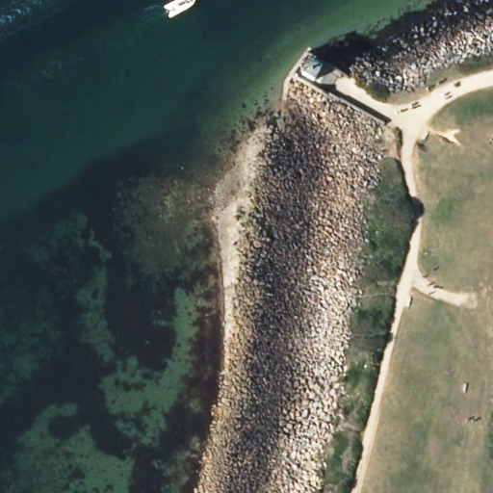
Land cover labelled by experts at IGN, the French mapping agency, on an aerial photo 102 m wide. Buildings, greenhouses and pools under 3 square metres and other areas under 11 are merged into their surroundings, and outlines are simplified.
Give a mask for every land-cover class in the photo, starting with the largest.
<instances>
[{"label":"water","instance_id":"1","mask_svg":"<svg viewBox=\"0 0 493 493\"><path fill-rule=\"evenodd\" d=\"M433 0H0V493H195L202 470V456L210 437L212 406L218 404L223 364V262L220 243L216 237V225L210 221L214 206L208 202V196L214 195L216 183L225 175V171L237 166L239 146L248 141L250 133L256 127H266L268 117L279 110L285 75L298 58V54L304 48H312V56L320 67L318 75H327L335 69H339L345 75H347L350 65L356 62V58H364L374 48L383 27H387L393 19L401 17L402 13L426 10V6Z\"/></svg>","mask_w":493,"mask_h":493},{"label":"impervious surface","instance_id":"2","mask_svg":"<svg viewBox=\"0 0 493 493\"><path fill-rule=\"evenodd\" d=\"M493 54V19H485L483 27H478L474 31H462L454 40L445 39L431 48H424L422 44H416V48H412L406 40L401 39V52L393 56V62L377 60L370 64L364 58H356V62L350 65L347 75L349 79H354V83L360 89L372 94L377 100L387 104L408 102L414 110L420 108L422 96H428L429 92L435 91L445 83L460 87L464 77L456 64L464 62L470 56ZM312 65L298 58L285 75L279 110L268 117L266 127H256L250 133L248 141L239 146L237 166L225 171V175L216 183L214 195L208 196V202L214 206L210 221L216 225V237L220 243L223 262V364L218 404L212 406L210 437L202 456V470L195 493H316L320 491L322 481L318 478V470L327 466V458L333 454L335 431L329 418L337 406V397L345 395L347 391L341 379L347 376L350 370L343 350L349 347V318L356 306L352 281L356 277L358 254L368 245V223L364 218V202H376V196L372 191L377 185L379 175L376 164L387 158L401 160V127H397L389 117L370 108L368 104L339 91L335 85L314 83L312 79H306L302 71Z\"/></svg>","mask_w":493,"mask_h":493},{"label":"herbaceous vegetation","instance_id":"3","mask_svg":"<svg viewBox=\"0 0 493 493\"><path fill-rule=\"evenodd\" d=\"M485 19H493V0H433L426 6V10L402 13L401 17L393 19L387 27H383L374 48L364 58L370 64L377 60L393 62V56L401 52V39L406 40L412 48H416V44H422L424 48H431L445 39L454 40L462 31H474L478 27H483ZM464 77L493 69V54L470 56L464 62L456 64ZM431 127H441L447 131L458 127V133L453 141H449L447 137L426 135L422 141L416 143L420 156V179L426 185L422 195L418 196V200L424 204V214L418 218V223L424 227L420 239L418 268L428 279L431 287L445 289L451 293H476V308H464L462 304H451L439 298L429 297L420 289L412 287L410 302L402 312L399 333H391L397 306V289L410 250V239L416 229V223L412 221V208L408 206V202L414 196H410L408 191L401 160L387 158L376 164L379 175L377 185L372 191L376 196V202H364V218L368 223V245L358 254L356 277L352 281L356 306L349 318V347L343 350L350 370L347 376L341 379L347 391L345 395L337 397V406L329 418L335 431L333 454L327 458V466L318 470V478L322 481L320 491L316 493H354L356 472L362 458V437L364 429L368 426L372 402L376 395L377 377L387 343L395 349L391 356L387 385L381 397L374 451L370 456L366 485L362 493H493V87L468 92L456 98L454 102L441 106L429 117Z\"/></svg>","mask_w":493,"mask_h":493},{"label":"pervious surface","instance_id":"4","mask_svg":"<svg viewBox=\"0 0 493 493\"><path fill-rule=\"evenodd\" d=\"M339 91L368 104L370 108L389 117L397 127H401V160L408 191L410 196H414L408 202V206L412 208V221L416 223V229L410 239V250L397 289V306L391 333H399L402 312L410 302L412 287L420 289L429 297L439 298L451 304H462L464 308H476V293H451L445 289L431 287L428 279L418 268L420 239L424 227L418 223V218L424 214V204L418 200V196L422 195L426 185L420 179V156L416 143L422 141L426 135L447 137L449 141H453L458 133V127L447 131L441 127H431L429 117L441 106L454 102L456 98L468 92L493 87V69L464 77L460 87L445 83L435 91L429 92L428 96H422L420 108L414 110L408 102L387 104L377 100L372 94L360 89L354 83V79H349L347 75H345L335 85ZM395 349L387 343L377 377L376 395L372 402L368 426L364 429L362 437V458L356 472L354 493H362L366 485L370 456L374 451L381 397L387 385L391 356Z\"/></svg>","mask_w":493,"mask_h":493},{"label":"building","instance_id":"5","mask_svg":"<svg viewBox=\"0 0 493 493\"><path fill-rule=\"evenodd\" d=\"M298 58L312 65L302 71L306 79H312L314 83L335 85L345 75L339 69H335L327 75H318L320 67L312 56V48H304L298 54Z\"/></svg>","mask_w":493,"mask_h":493}]
</instances>
